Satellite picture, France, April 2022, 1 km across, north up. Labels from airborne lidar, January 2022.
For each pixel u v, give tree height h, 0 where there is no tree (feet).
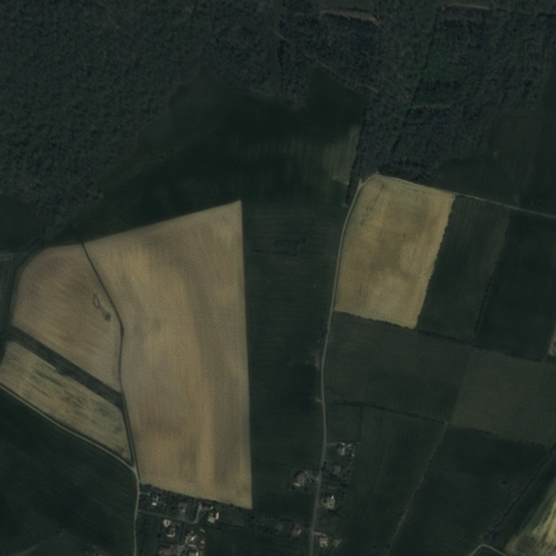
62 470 0
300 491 0
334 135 0
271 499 0
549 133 0
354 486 0
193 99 0
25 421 0
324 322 0
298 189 0
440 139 81
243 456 0
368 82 71
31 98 91
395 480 0
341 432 0
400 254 0
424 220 0
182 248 0
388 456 0
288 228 0
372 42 66
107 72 77
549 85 0
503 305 0
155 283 0
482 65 69
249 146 0
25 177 85
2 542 0
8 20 71
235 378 0
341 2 0
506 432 0
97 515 0
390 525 0
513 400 0
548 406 0
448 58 85
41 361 0
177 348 0
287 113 0
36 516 0
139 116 62
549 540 0
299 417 0
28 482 0
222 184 0
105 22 98
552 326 0
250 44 71
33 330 0
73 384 0
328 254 0
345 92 0
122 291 0
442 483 0
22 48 88
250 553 0
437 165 61
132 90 89
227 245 0
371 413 0
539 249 0
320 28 63
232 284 0
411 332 0
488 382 0
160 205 0
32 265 0
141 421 0
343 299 0
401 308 0
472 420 0
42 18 84
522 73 49
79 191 0
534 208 0
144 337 0
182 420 0
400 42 99
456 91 79
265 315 0
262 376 0
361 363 0
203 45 78
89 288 0
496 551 0
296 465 0
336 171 0
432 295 0
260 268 0
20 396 0
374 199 0
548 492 0
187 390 0
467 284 0
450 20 77
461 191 0
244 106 0
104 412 0
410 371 0
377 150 86
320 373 0
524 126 0
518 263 0
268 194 0
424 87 68
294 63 77
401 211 0
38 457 0
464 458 0
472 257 0
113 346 0
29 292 0
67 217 18
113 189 0
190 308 0
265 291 0
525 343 0
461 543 0
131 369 0
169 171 0
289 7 60
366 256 0
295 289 0
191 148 0
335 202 0
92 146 92
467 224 0
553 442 0
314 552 0
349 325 0
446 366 0
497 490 0
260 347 0
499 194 0
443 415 0
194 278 0
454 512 0
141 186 0
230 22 65
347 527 0
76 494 0
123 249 0
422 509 0
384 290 0
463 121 62
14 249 0
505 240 0
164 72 70
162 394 0
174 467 0
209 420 0
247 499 0
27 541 0
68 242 0
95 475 0
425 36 91
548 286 0
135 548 0
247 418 0
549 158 0
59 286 0
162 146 0
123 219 0
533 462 0
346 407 0
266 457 0
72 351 0
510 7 80
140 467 0
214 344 0
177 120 0
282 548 0
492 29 88
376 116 69
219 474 0
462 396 0
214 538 0
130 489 0
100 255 0
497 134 0
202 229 0
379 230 0
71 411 0
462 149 69
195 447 0
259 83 49
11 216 0
